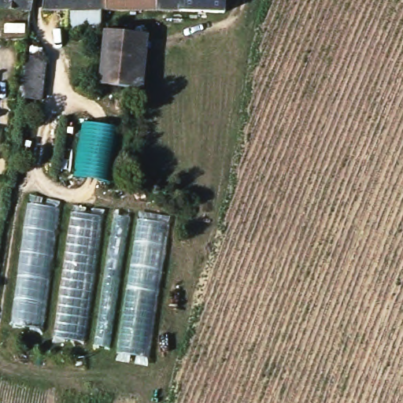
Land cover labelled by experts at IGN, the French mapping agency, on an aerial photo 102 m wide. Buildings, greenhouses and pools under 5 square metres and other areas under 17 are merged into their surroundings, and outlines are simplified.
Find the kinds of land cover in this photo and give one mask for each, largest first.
<instances>
[{"label":"agricultural land","instance_id":"1","mask_svg":"<svg viewBox=\"0 0 403 403\"><path fill-rule=\"evenodd\" d=\"M263 35L258 47L261 58L253 71L252 99L247 104L249 120L242 132L244 145L241 162L236 168L238 183L235 197L231 198L224 219L228 230L224 233L216 230V255H209L203 264L198 290L194 291L189 301L195 307L203 304L205 309L195 323V334L190 337L189 349L181 359V367L176 373V378L170 379L168 384V389L175 392V403H403V0H271L268 14L261 24ZM90 389L85 392H79L72 387L65 389V395L60 400H55V390L43 392L41 389H30L17 384L11 386L5 381H0V403H154L156 398H140L135 394L129 395L126 400H116L110 384L102 381H91Z\"/></svg>","mask_w":403,"mask_h":403},{"label":"herbaceous vegetation","instance_id":"2","mask_svg":"<svg viewBox=\"0 0 403 403\"><path fill-rule=\"evenodd\" d=\"M244 17L236 20L231 27L213 31L208 35H201L200 31L194 35H184L183 38L176 39L173 47L165 44L168 35L184 31V28L194 25L211 27L230 16V9H222L220 14H206V17L195 19H192L189 13H183L178 9L142 11L137 14L105 9L101 13L99 24L83 22L77 27L82 35L93 39L94 57L85 55L82 39L74 43L65 30L61 33V46L65 47L66 57L69 58V82L77 76L80 68H87L93 63L99 65L102 33L105 28L135 30L137 25H143L150 35V47L146 54L145 80L140 88L146 94L143 112L146 135L140 148L129 146L128 154L132 161L137 162L142 172L139 186L143 194H126L123 190L115 189L113 178L98 179V187L94 190V203L83 201L85 213H91V208H101L104 209V214L101 219V233H93L87 294L83 305L82 329H85V343L80 346L77 343L72 345L65 342L60 345L52 342L61 271L65 260L66 236L72 211L68 201L63 200L58 205L54 257L49 264V291L44 323L41 327L43 334H36L25 327H13L11 313L25 211L31 198H35L36 190H20L27 175L16 173V179L9 192L8 209L0 238V381H5L11 386L17 384L30 389H41L43 392L55 390V400H60L65 395V389L72 387L79 392H85L90 389L91 381H102L110 384L116 400H126L129 395L135 394L140 398H156L154 403H175V392L168 389V384L170 379L176 378V373L181 367V359L176 356V346L189 320V309L186 304L189 301L194 291L198 290L203 264L209 255H216V230L224 233L228 230L224 219L231 198L235 197L238 183L236 168L241 162L244 145L242 132L249 120L247 104L252 99L253 71L261 58L258 47L263 35L261 24L268 14L271 0H252L244 3ZM178 176L176 189L189 203L192 217L187 220L186 225L189 239L173 241L172 230L168 231L165 246L151 349L150 354L146 356L148 364L139 365L116 360V338L120 329L124 290L128 283L137 217L139 213L162 214L161 209L154 208L156 201L148 200L145 194L164 189L168 176ZM115 209L121 214L123 238L120 260L116 268V298L110 309L113 313L112 321L107 327L110 346L109 349L93 348L102 274ZM19 342L31 348H38L39 351L71 354L77 362L61 368L54 362L33 360L30 354L19 353ZM96 87L101 90V96L94 101L104 110V116H98V123L110 124L109 143L104 156L113 162L120 153L123 140L120 131L121 118L118 115L121 112V93L124 88L102 83L101 76L96 77ZM85 121V118L79 120L76 113L68 115V134L63 140L60 159V165L65 167L66 172L72 170L68 187L79 189L85 183V179L77 178L74 172L80 124Z\"/></svg>","mask_w":403,"mask_h":403},{"label":"greenhouse","instance_id":"3","mask_svg":"<svg viewBox=\"0 0 403 403\"><path fill-rule=\"evenodd\" d=\"M63 200L36 190L35 198H31L25 211L11 313L13 327H25L36 334H43L41 327L44 323L49 291V264L54 257L58 205ZM72 211L66 236L65 260L61 271L52 342L60 345L65 342L72 345L77 343L80 346L85 343V329H82L83 305L87 294L93 233H101V219L104 214V209L101 208H91V213H85L83 201H68ZM123 238L121 214L115 209L102 274L93 348L109 349L110 346L107 327L112 321L113 313L110 309L116 298V268L120 260ZM170 217L162 214L139 213L137 217L128 283L124 290L120 329L116 338V360L139 365L148 364L146 356L150 354L151 349L165 246L168 231L172 230L168 228Z\"/></svg>","mask_w":403,"mask_h":403},{"label":"pervious surface","instance_id":"4","mask_svg":"<svg viewBox=\"0 0 403 403\"><path fill-rule=\"evenodd\" d=\"M72 9L52 8L44 11L41 8V0H33L31 11L0 6V128L2 124L8 123L5 83L11 74H14V43L24 38L25 28L31 31L39 27V30L43 31L44 39L50 44L43 50L47 55L46 63L41 98L24 99L25 104L38 105L47 124L39 126L38 132L28 126H22V140H25V146H28V151L33 154V170L27 175L20 190H36L63 200L68 201H83L94 203V190L98 187V179H85V183L79 189L68 187L50 181L46 175L50 170L47 162L52 156V145L47 142L55 137V120L61 112L68 115L76 113L79 120L85 118V121L98 123V116H104V110L94 101L72 90L69 82V58L66 57L65 47L61 46V27L71 25ZM252 0H227L225 9H230V16L211 27L194 25L184 28V31L168 35L165 44L173 47L176 39L183 38L184 35H194L200 31L201 35H208L213 31L231 27L236 20L244 17V3Z\"/></svg>","mask_w":403,"mask_h":403},{"label":"building","instance_id":"5","mask_svg":"<svg viewBox=\"0 0 403 403\"><path fill-rule=\"evenodd\" d=\"M0 6L31 11L33 0H0ZM227 0H41V8L44 11L52 8L72 9L71 25L77 27L83 22L99 24L101 13L105 9L137 14L142 11L178 9L183 13H189L192 19H195L206 17V14H220L222 9H225ZM150 47V35L143 25H137L135 30L105 28L102 33L99 65L101 76L102 83L124 88H140L145 80L146 54ZM46 63L38 60L31 66L30 77L19 88L24 99L41 98ZM110 124L98 123L85 121L80 124L74 172L77 178L85 179H98L113 178V162L104 156L109 143Z\"/></svg>","mask_w":403,"mask_h":403},{"label":"brushwood","instance_id":"6","mask_svg":"<svg viewBox=\"0 0 403 403\"><path fill-rule=\"evenodd\" d=\"M65 30L74 43L82 39L85 55L94 57L93 39L82 35L77 27L71 25L61 27V33ZM50 44L44 39L43 31L39 30V27L31 31L25 28L24 38L14 43V74H11L5 83L8 123L2 124L0 128V238L8 209L9 192L16 179V173L27 175L33 170V154L28 151V146H25V140H22V126L20 118L28 112L25 104L24 99L19 88L30 77L31 66L38 60L46 63L47 55L43 50ZM68 115L61 112L55 120V137L47 142L52 145V156L47 162L50 170L46 175L50 181L68 187L72 170L66 172L65 167L60 165V159L63 140L68 134ZM189 309V320L176 346V356L181 359L189 349L190 337L195 334V323L205 309L203 304L195 307L189 301L186 304ZM19 353L30 354L33 360L54 362L61 368L77 362L71 354L39 351L38 348H31L19 342Z\"/></svg>","mask_w":403,"mask_h":403},{"label":"deciduous trees","instance_id":"7","mask_svg":"<svg viewBox=\"0 0 403 403\"><path fill-rule=\"evenodd\" d=\"M101 76L99 65L93 63L87 68H80L77 76L69 82L72 90L94 101L101 96V90L96 87V77ZM121 112L118 115L121 118L120 131L123 140L120 153L113 162V178L115 189L123 190L126 194H143L139 186L142 172L137 162L132 161L128 154L129 146L140 148L146 135L143 112L146 94L140 88H124L121 93ZM28 112L20 118L22 126H28L38 132L39 126L47 124L38 105L25 104ZM178 176H168L164 189L145 194L148 200L156 201L154 208L161 209L162 214L170 217L168 228L172 230L173 241L189 239L186 225L187 220L192 217L189 203L176 189Z\"/></svg>","mask_w":403,"mask_h":403}]
</instances>
